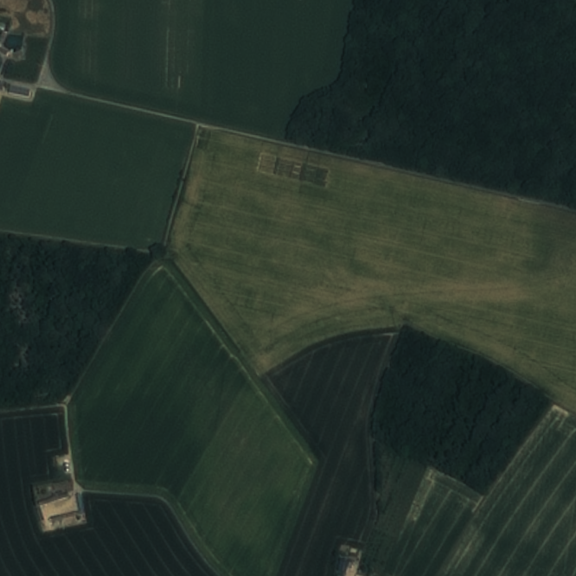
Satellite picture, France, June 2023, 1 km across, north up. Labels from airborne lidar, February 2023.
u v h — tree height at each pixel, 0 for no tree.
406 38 20
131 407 0
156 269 0
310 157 0
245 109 0
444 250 0
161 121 0
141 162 0
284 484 0
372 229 0
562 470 0
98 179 0
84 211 0
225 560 0
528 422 17
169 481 0
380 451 14
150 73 0
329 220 0
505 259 0
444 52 18
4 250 18
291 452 0
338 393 0
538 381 0
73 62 0
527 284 0
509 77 17
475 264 0
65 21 0
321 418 0
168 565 0
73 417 0
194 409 0
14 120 0
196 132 0
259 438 0
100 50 0
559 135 18
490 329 0
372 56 16
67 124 0
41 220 0
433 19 18
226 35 0
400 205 0
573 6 21
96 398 0
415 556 0
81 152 0
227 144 0
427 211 0
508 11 20
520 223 0
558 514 0
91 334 17
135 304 0
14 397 20
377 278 0
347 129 22
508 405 18
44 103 0
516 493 0
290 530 0
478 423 19
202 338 0
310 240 0
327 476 0
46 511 0
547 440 0
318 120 22
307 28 0
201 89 0
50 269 16
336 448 0
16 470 0
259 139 0
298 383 0
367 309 0
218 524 0
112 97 0
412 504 0
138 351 0
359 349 0
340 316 0
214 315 0
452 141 23
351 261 0
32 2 0
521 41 22
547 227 0
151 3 0
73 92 0
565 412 0
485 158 21
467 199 0
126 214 0
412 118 22
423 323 0
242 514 0
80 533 0
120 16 0
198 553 0
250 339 0
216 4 0
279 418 0
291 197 0
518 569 0
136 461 0
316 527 0
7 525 0
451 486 0
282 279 0
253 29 0
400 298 0
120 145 0
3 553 0
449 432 9
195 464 0
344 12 0
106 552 0
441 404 22
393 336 0
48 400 11
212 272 0
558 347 0
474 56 20
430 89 23
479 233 0
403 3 20
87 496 0
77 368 20
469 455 20
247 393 0
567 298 0
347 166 0
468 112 23
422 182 0
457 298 0
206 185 0
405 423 10
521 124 22
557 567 0
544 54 25
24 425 0
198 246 0
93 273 19
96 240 0
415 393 20
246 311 0
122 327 0
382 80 11
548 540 0
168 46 0
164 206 0
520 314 0
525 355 0
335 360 0
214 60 0
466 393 23
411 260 0
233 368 0
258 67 0
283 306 0
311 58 0
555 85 20
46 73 0
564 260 0
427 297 0
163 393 0
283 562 0
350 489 0
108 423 0
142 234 0
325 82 0
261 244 0
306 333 0
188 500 0
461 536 0
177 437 0
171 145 0
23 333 21
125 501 0
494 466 18
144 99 0
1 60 15
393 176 0
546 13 24
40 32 0
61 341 19
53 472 0
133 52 0
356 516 0
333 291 0
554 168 18
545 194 18
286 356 0
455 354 22
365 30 14
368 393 0
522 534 0
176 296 0
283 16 0
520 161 22
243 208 0
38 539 0
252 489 0
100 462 0
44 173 0
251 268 0
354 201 0
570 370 0
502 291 0
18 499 0
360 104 0
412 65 20
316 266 0
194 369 0
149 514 0
